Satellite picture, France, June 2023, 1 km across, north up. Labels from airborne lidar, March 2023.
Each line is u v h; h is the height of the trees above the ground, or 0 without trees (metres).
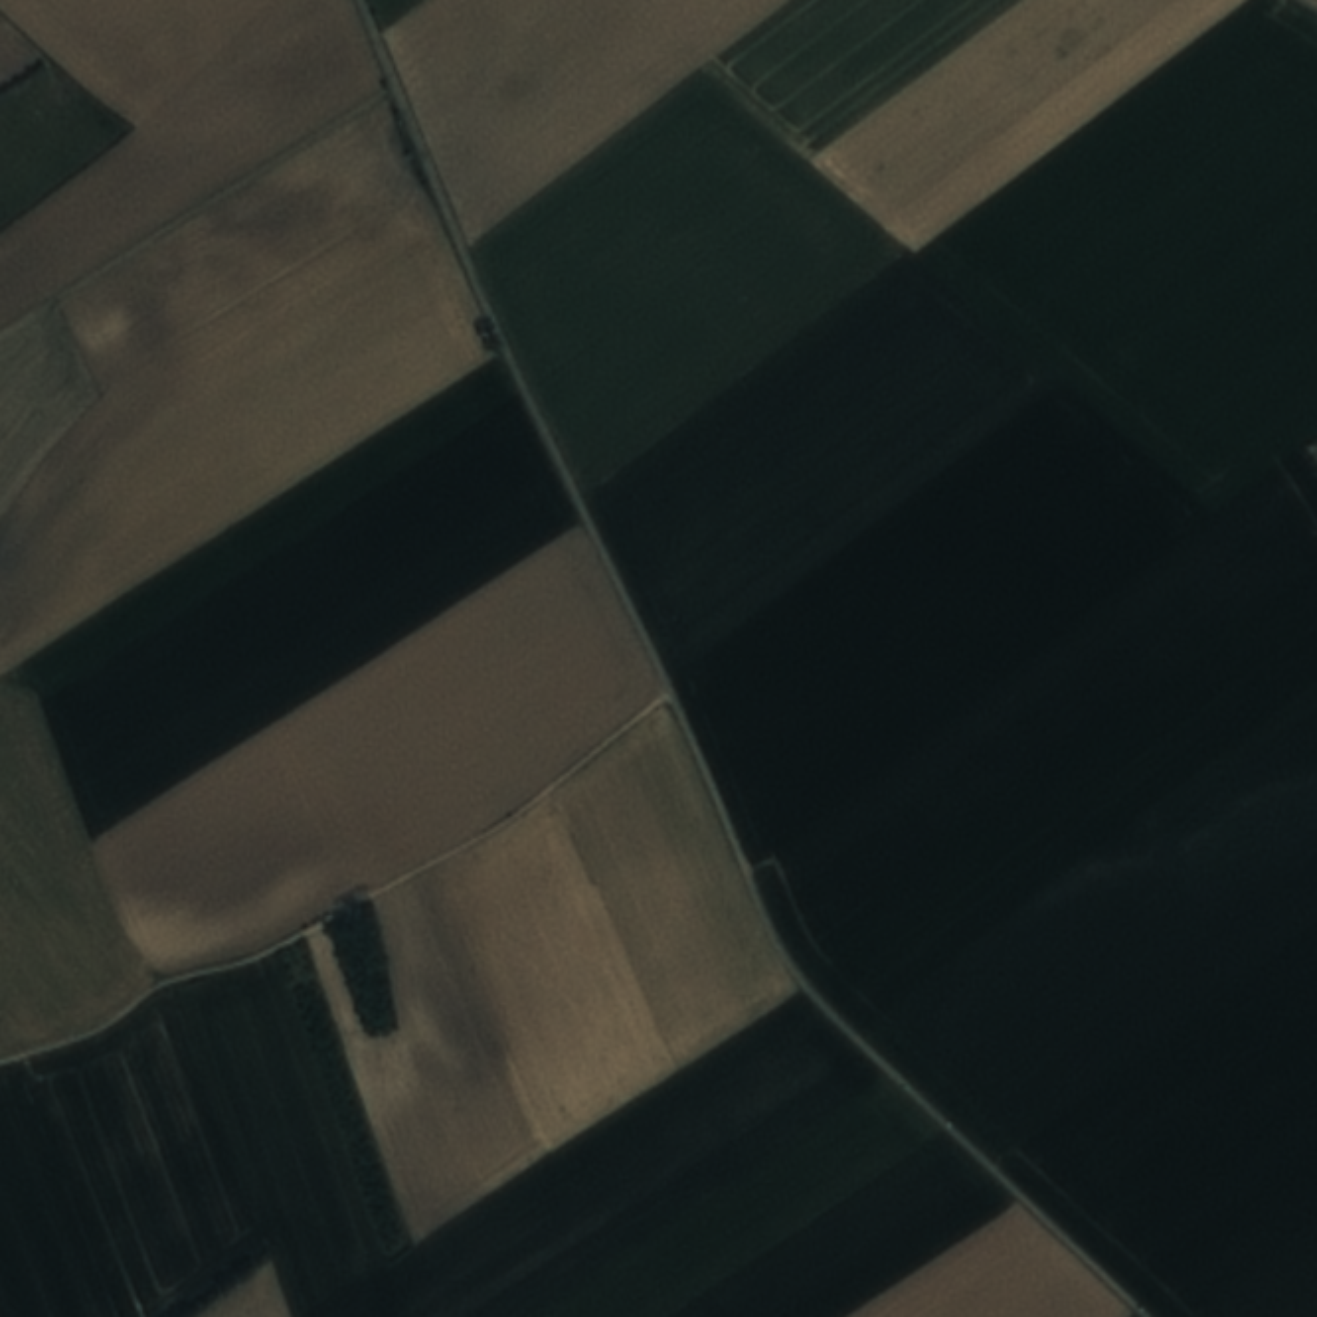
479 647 0
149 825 0
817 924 0
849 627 0
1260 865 0
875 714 0
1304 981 0
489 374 0
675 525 0
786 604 0
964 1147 0
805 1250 0
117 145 0
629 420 0
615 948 0
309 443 0
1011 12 0
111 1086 0
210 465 0
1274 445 0
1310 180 0
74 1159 0
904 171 0
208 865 0
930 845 0
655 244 0
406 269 0
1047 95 0
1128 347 0
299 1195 0
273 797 0
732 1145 0
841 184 0
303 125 0
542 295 0
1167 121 0
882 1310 0
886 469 0
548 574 0
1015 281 0
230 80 0
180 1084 0
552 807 0
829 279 0
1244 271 0
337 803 0
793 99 0
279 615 0
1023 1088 0
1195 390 0
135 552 0
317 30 0
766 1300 0
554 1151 0
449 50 0
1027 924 0
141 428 0
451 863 0
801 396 0
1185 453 0
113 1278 0
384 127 0
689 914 0
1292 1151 0
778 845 0
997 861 0
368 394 0
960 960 0
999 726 0
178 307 0
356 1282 0
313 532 0
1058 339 0
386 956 13
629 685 0
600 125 0
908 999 0
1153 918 0
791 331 0
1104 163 0
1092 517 0
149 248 0
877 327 0
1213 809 0
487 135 0
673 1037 0
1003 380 0
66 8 0
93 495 0
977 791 0
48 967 0
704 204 0
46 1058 0
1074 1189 0
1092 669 0
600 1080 0
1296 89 0
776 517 0
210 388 0
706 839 0
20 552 0
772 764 0
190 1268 0
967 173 0
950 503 0
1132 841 0
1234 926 0
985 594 0
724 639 0
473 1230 0
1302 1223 0
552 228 0
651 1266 0
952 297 0
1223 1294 0
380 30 0
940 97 0
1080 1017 0
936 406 0
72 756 0
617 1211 0
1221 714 0
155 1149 0
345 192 0
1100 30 0
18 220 0
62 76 0
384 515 0
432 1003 0
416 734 0
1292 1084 0
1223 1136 0
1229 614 0
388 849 0
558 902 0
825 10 0
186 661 0
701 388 0
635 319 0
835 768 0
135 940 0
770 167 0
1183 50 0
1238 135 0
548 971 0
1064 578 0
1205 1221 0
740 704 0
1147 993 0
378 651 0
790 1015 0
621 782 0
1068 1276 0
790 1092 0
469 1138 0
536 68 0
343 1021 0
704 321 0
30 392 0
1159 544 0
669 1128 0
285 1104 0
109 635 0
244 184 0
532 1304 0
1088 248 0
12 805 0
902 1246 0
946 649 0
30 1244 0
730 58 0
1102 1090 0
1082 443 0
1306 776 0
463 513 0
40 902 0
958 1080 0
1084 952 0
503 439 0
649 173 0
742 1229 0
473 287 0
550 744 0
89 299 0
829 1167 0
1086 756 0
